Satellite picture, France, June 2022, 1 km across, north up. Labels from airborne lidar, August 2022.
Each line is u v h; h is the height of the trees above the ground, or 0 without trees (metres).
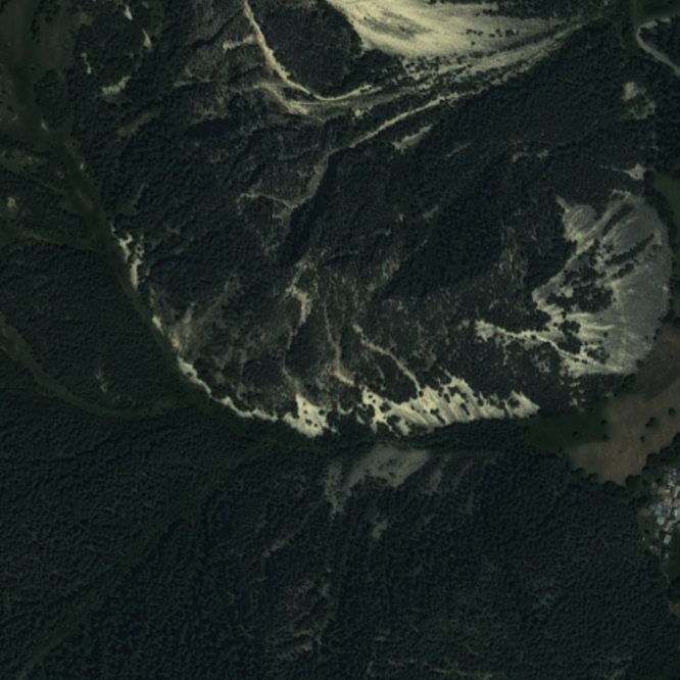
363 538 11
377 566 19
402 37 0
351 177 7
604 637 18
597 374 7
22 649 24
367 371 12
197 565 10
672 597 16
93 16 9
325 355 7
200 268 14
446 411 0
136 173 13
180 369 0
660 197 16
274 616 10
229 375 13
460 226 7
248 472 15
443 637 17
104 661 26
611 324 0
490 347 8
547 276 9
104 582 9
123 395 17
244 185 15
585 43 13
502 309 12
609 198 10
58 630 7
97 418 9
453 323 16
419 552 12
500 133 13
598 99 21
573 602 22
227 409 10
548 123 11
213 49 30
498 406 8
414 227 11
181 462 9
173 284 10
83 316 17
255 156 14
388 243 12
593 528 17
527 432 16
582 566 16
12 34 0
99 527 16
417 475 12
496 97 22
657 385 0
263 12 9
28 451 14
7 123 0
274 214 11
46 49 0
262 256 8
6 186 17
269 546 8
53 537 25
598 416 0
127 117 15
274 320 10
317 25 13
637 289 0
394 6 0
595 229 0
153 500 23
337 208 10
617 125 8
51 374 22
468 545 5
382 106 6
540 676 14
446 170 17
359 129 12
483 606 18
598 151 13
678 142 17
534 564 21
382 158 15
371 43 0
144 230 9
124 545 19
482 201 13
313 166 9
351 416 11
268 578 7
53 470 25
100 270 15
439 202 15
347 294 8
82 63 16
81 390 19
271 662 15
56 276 10
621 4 9
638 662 19
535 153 12
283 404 10
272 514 20
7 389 11
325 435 14
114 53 15
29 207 11
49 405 18
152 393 15
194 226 15
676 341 0
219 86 15
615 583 22
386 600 21
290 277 7
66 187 14
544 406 13
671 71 21
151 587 21
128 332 9
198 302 8
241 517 12
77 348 15
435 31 0
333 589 6
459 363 10
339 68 15
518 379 11
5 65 0
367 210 12
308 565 8
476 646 20
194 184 14
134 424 15
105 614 9
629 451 0
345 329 9
